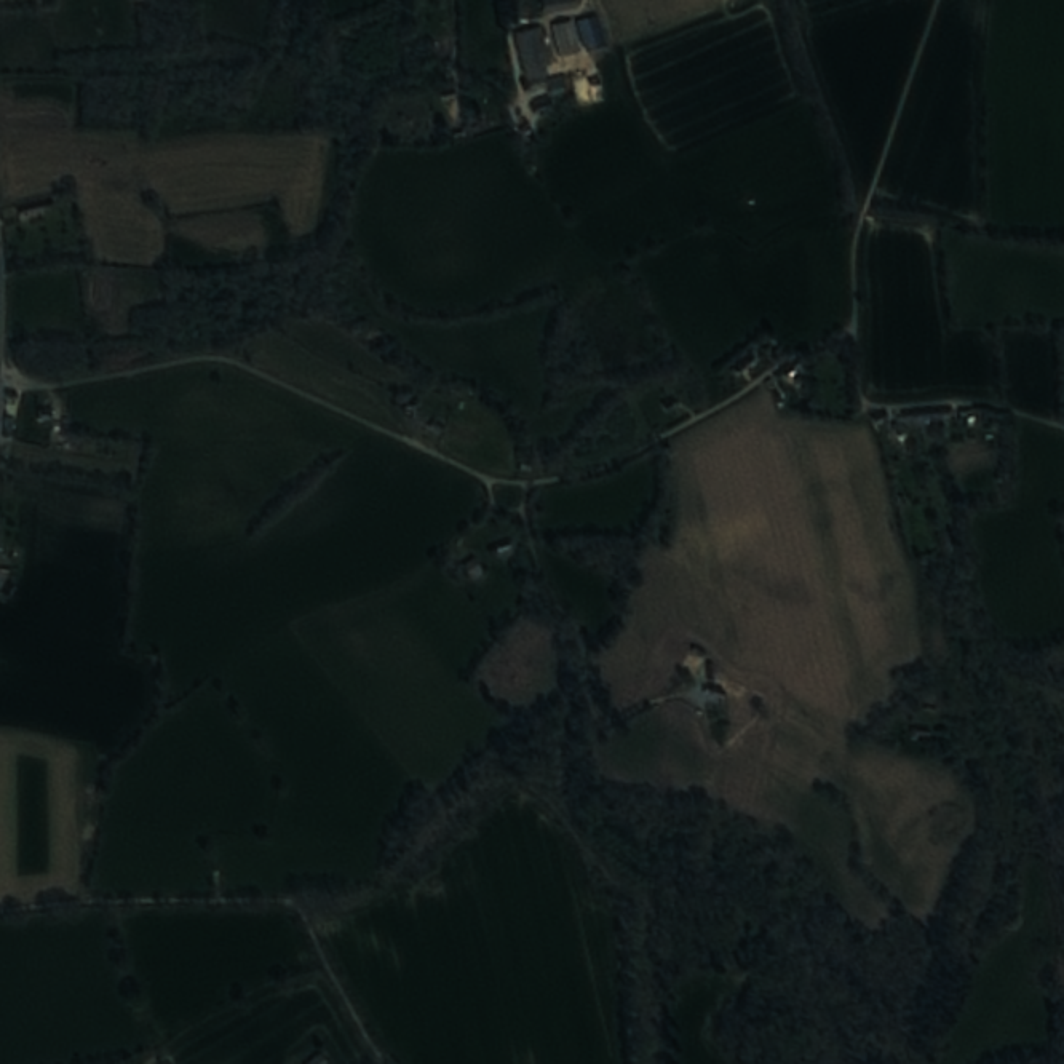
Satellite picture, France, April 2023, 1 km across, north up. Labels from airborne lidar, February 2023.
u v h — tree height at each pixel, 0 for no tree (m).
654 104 0
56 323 0
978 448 0
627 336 0
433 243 0
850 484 0
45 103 0
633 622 0
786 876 13
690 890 17
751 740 0
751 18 0
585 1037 0
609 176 0
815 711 0
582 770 17
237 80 13
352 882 0
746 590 0
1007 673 13
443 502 0
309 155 0
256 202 0
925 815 0
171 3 18
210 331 8
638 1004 28
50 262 16
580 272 0
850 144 0
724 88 0
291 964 0
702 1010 0
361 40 6
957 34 0
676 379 14
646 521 13
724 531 0
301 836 0
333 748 0
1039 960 0
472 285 0
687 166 0
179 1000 0
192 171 0
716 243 0
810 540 0
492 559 0
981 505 13
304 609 0
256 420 0
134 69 8
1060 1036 20
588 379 14
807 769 0
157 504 0
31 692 0
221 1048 0
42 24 0
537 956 0
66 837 0
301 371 0
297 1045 0
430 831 11
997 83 0
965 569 25
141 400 0
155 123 15
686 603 0
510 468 0
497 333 0
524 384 0
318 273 17
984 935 14
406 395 7
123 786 0
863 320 0
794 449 0
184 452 0
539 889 0
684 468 0
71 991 0
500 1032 0
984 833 15
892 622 0
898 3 0
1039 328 13
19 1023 0
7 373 0
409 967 0
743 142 0
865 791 0
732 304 0
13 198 0
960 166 0
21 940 0
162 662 5
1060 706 0
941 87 0
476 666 13
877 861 0
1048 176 0
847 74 0
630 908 24
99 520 0
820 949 22
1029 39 0
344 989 10
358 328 12
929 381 0
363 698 0
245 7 0
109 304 0
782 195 0
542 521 0
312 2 22
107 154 0
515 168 0
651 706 7
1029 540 0
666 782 0
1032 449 0
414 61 15
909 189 0
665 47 0
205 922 0
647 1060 27
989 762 0
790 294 0
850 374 11
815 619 0
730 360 8
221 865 0
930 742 6
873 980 19
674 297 0
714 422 0
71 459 0
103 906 14
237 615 0
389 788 0
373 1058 12
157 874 0
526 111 0
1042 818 23
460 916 0
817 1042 18
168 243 0
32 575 0
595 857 18
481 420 0
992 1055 0
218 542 0
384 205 0
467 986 0
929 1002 33
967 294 0
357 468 0
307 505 0
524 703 0
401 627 0
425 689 0
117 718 0
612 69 0
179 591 0
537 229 0
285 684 0
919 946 22
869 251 0
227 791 0
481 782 19
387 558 0
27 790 0
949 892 8
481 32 0
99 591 0
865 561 0
